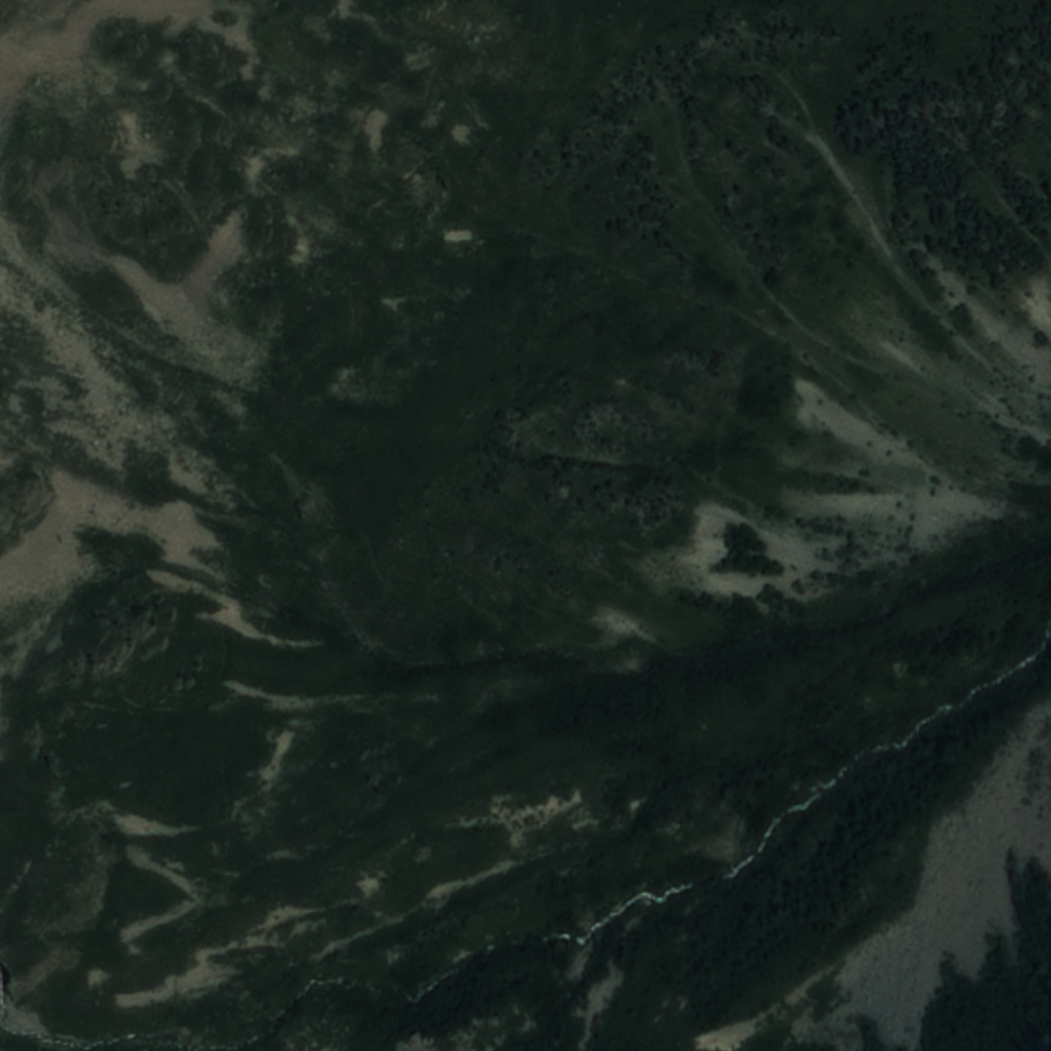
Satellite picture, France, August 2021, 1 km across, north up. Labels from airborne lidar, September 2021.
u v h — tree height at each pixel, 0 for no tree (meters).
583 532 0
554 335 0
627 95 11
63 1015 0
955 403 0
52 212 0
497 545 0
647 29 0
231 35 0
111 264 0
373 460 0
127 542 0
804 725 7
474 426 0
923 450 0
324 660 0
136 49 0
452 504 0
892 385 0
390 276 0
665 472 7
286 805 0
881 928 0
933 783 9
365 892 0
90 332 0
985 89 13
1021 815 0
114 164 0
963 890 0
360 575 0
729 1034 0
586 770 0
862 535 0
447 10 0
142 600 0
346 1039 0
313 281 0
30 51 0
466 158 0
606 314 0
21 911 0
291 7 0
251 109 0
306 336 0
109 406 0
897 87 0
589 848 0
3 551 0
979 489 0
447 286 0
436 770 0
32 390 0
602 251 0
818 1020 0
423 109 0
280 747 0
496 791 0
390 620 0
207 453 0
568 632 0
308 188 0
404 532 0
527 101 0
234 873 0
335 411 0
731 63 0
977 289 8
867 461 0
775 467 0
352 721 0
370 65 0
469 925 11
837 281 0
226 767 0
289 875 0
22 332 0
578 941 10
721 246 0
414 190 0
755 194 0
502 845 0
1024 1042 6
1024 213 20
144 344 0
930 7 0
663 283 0
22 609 0
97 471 0
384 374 0
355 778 0
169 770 0
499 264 0
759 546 10
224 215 0
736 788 6
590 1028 0
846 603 0
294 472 0
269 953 0
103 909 0
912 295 0
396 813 0
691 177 0
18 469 0
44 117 0
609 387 0
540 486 0
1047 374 0
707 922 7
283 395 0
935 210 13
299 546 0
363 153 0
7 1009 0
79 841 0
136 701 0
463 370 0
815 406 0
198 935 0
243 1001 0
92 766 0
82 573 0
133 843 0
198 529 0
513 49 0
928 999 0
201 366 0
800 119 8
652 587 0
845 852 10
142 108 0
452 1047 0
